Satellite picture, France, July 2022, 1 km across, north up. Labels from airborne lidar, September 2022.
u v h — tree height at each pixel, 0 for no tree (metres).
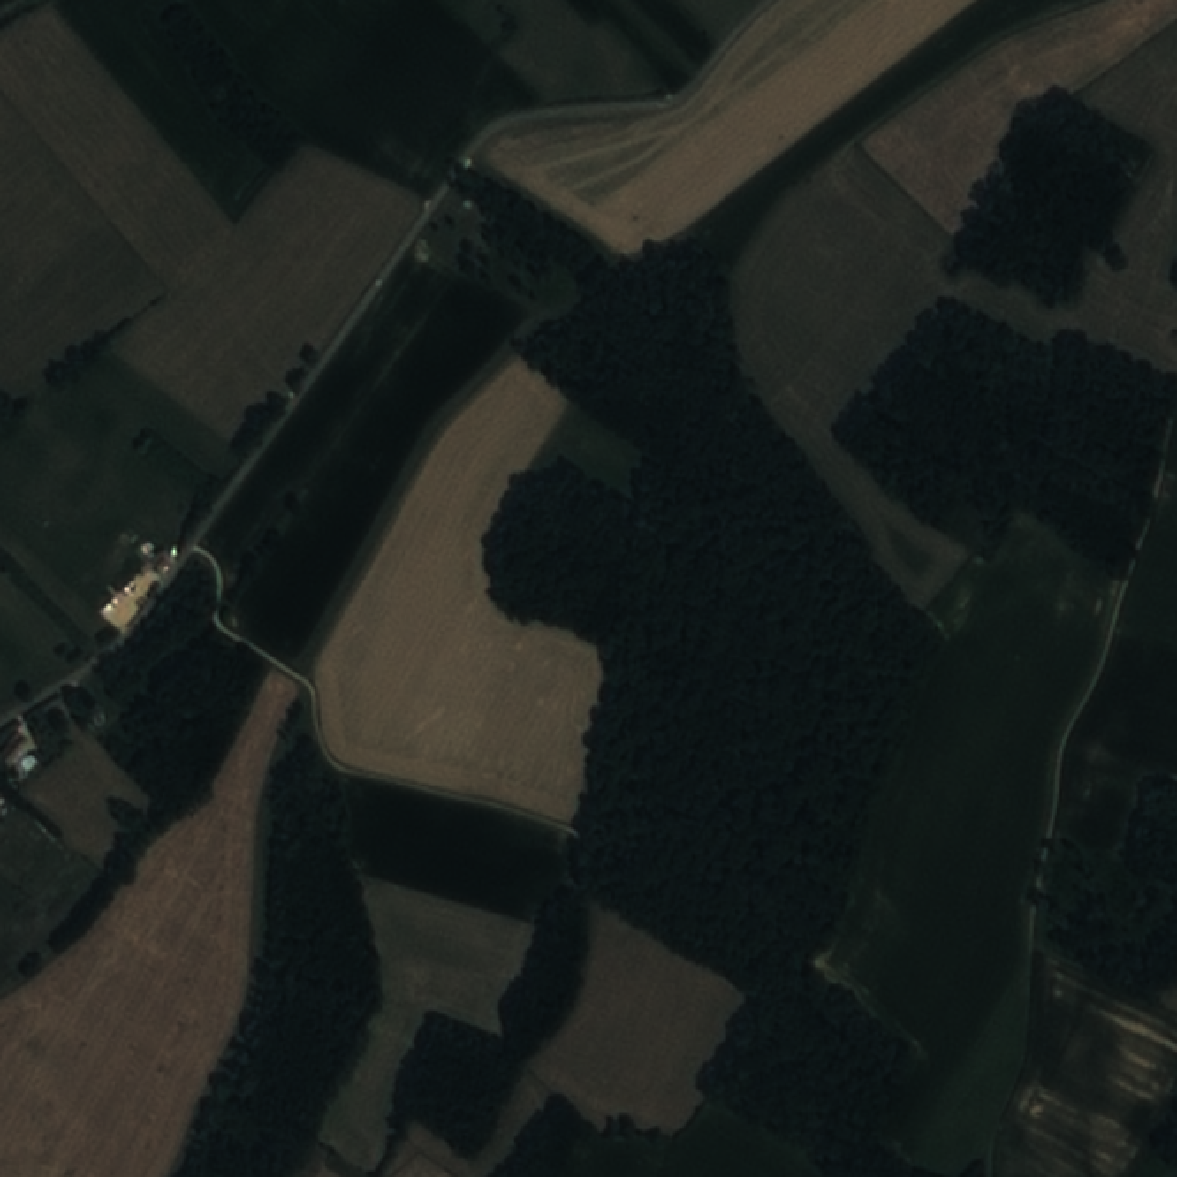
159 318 0
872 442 20
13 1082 0
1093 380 16
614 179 0
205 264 0
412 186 0
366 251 0
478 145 0
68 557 0
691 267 25
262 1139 6
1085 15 0
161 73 0
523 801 0
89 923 15
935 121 0
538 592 22
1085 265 11
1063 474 17
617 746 23
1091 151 24
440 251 0
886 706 20
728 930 24
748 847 14
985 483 12
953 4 0
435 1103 20
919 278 0
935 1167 0
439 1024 16
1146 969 18
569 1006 12
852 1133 25
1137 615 0
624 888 19
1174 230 0
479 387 0
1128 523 16
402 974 0
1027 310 0
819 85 0
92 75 0
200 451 0
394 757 0
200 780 23
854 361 0
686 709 25
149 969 0
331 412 0
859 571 20
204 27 10
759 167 0
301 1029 24
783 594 28
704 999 0
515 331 0
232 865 0
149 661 7
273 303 0
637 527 25
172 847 0
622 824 23
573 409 0
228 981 0
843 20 0
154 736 8
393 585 0
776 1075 26
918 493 16
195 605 15
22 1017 0
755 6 0
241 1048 22
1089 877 23
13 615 0
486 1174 0
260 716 0
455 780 0
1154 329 0
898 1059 26
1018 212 28
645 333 28
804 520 23
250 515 0
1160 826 23
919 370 25
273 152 13
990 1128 0
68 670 0
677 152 0
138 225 0
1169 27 0
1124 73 0
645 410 23
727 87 0
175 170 0
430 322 0
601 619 19
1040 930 0
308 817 19
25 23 0
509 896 0
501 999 0
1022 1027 0
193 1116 0
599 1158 0
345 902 15
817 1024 24
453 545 0
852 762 25
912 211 0
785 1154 0
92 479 0
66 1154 0
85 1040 0
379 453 0
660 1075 0
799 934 19
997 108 0
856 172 0
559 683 0
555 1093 0
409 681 0
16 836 0
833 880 20
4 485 0
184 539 6
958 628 0
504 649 0
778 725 26
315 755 26
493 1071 20
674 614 25
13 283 0
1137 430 15
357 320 0
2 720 0
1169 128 0
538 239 19
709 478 22
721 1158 0
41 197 0
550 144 0
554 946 15
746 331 0
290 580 0
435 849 0
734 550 24
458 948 0
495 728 0
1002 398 16
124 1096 0
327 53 0
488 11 0
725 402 25
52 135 0
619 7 0
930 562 0
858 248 0
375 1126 0
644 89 0
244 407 0
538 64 0
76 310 0
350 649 0
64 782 0
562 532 23
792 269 0
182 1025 0
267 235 0
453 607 0
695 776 21
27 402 8
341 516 0
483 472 0
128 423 0
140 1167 0
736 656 23
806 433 0
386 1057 0
